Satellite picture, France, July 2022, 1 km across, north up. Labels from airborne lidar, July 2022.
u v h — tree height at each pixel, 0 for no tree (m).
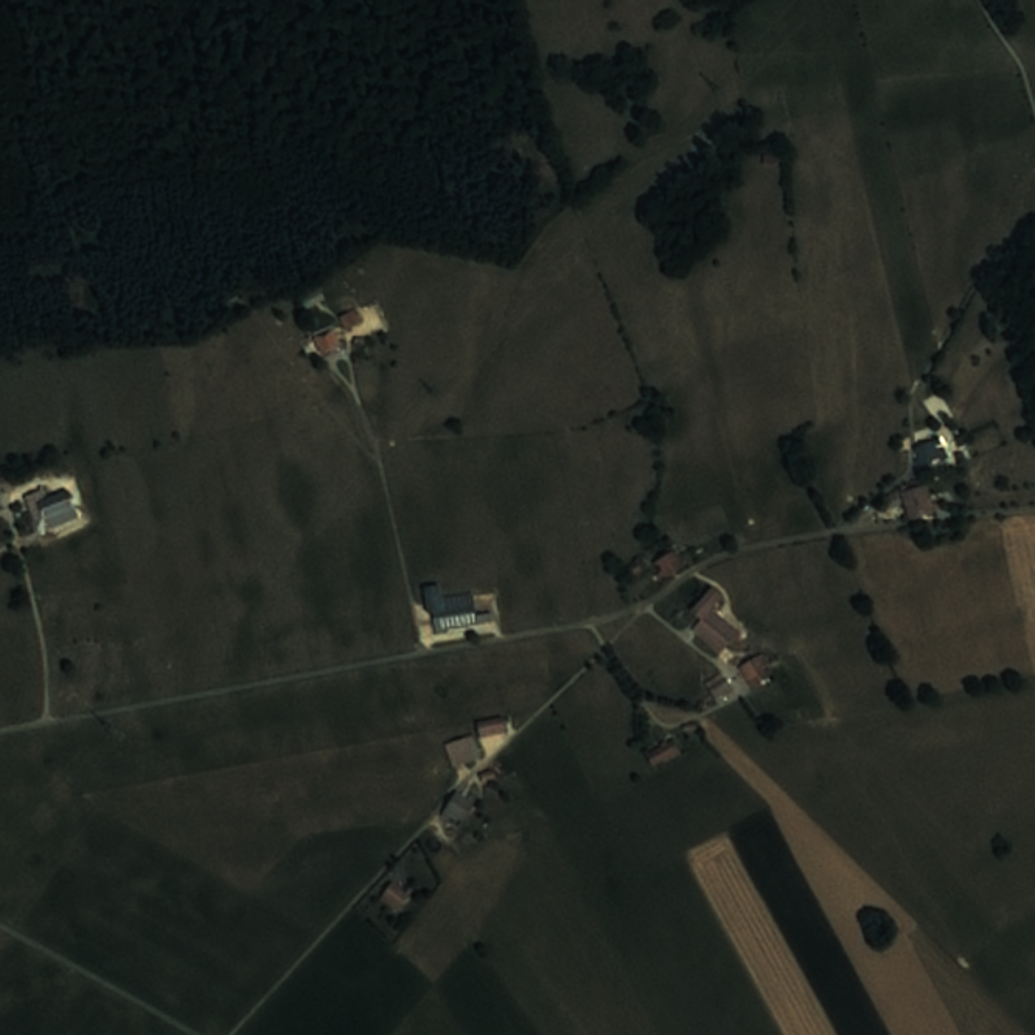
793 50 0
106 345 8
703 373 0
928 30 0
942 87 0
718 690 0
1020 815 0
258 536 0
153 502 0
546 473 0
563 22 0
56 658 0
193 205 15
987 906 0
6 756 0
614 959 0
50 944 0
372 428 0
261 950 0
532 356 0
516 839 0
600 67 24
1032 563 0
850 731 0
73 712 0
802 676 0
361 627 0
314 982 0
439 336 0
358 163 14
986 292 21
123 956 0
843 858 0
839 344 0
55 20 21
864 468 0
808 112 0
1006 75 0
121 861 0
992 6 18
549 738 0
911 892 0
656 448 17
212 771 0
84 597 0
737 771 0
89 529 0
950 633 0
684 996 0
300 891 0
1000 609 0
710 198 24
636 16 0
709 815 0
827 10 0
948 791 0
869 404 0
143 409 0
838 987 0
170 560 0
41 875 0
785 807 0
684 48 0
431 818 0
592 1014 0
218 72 29
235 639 0
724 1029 0
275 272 21
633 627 0
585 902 0
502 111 9
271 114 28
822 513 16
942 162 0
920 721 0
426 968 0
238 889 0
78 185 13
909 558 0
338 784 0
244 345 0
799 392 0
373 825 0
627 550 0
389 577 0
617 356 0
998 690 16
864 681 0
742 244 0
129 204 22
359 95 26
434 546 0
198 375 0
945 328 0
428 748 0
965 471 17
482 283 0
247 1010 0
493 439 0
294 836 0
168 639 0
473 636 13
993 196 0
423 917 0
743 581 0
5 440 0
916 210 0
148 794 0
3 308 15
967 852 0
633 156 0
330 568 0
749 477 0
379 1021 0
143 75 25
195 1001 0
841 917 0
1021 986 0
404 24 31
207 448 0
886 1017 0
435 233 14
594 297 0
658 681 0
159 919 0
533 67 25
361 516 0
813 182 0
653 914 0
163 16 31
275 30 32
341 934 0
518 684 0
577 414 0
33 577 0
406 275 0
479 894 0
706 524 0
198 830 0
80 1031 0
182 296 27
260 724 0
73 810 0
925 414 0
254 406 0
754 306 0
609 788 0
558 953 0
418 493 0
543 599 0
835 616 0
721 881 0
